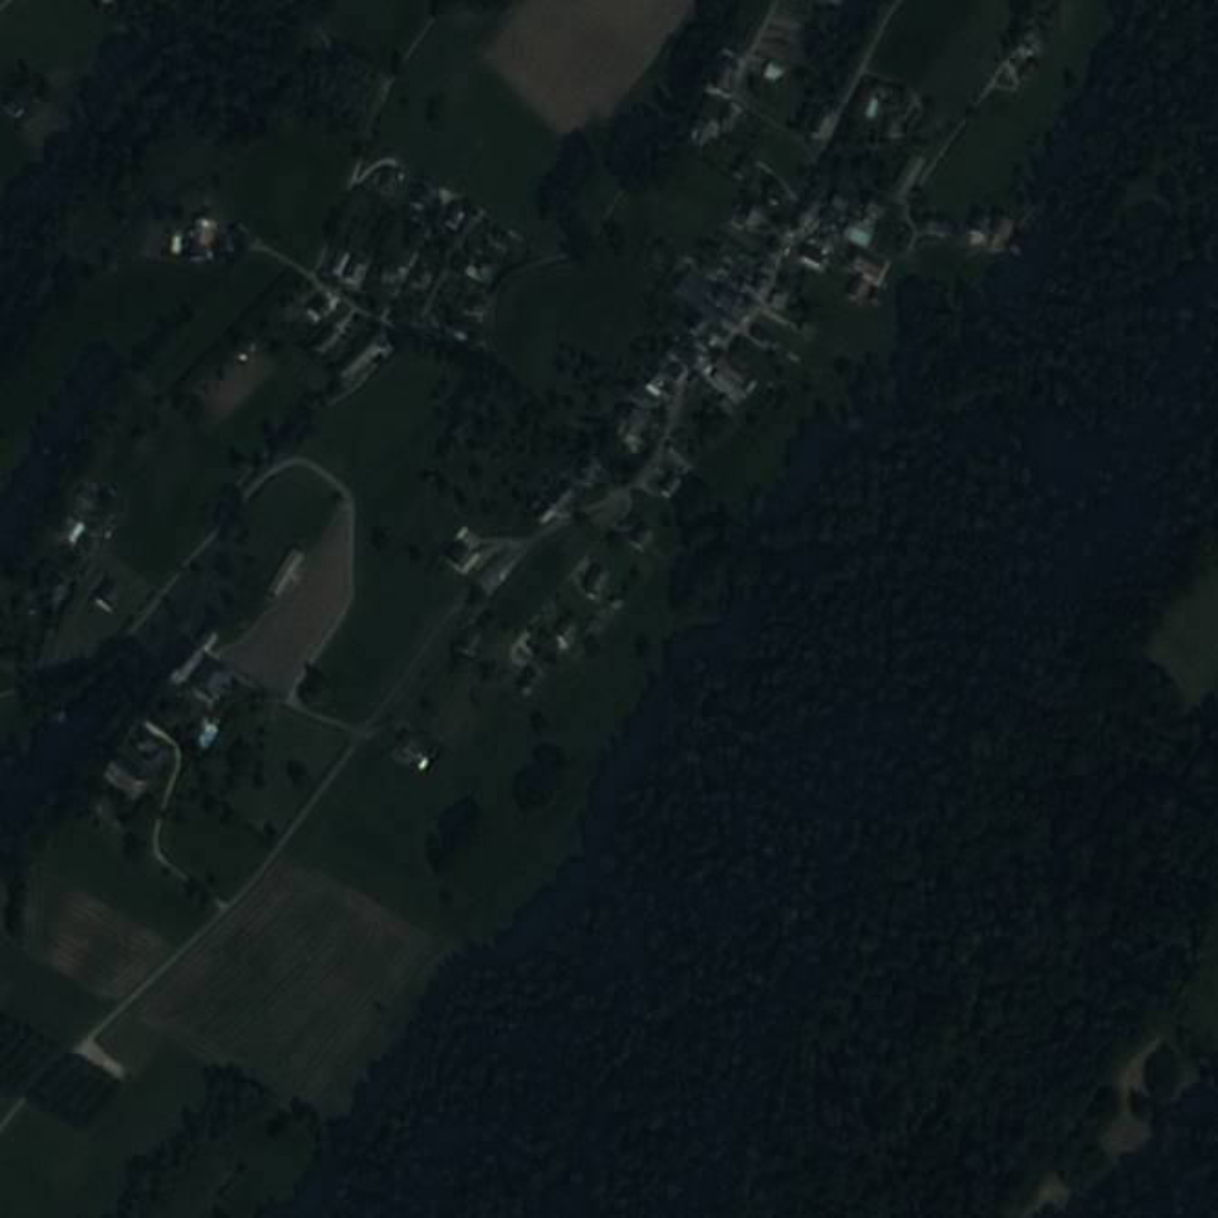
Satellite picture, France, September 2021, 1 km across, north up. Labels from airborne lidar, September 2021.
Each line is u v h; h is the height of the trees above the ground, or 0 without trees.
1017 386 25
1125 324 28
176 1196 0
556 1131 27
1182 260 22
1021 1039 28
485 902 0
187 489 0
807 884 29
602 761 0
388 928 0
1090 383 23
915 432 16
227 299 0
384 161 0
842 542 26
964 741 29
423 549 0
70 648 0
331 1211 29
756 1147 26
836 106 7
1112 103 8
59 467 22
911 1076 25
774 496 0
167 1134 0
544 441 14
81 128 0
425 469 0
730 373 0
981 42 0
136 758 0
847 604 24
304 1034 0
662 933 31
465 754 0
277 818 0
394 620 0
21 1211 0
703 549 15
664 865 31
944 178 0
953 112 0
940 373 14
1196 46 11
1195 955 11
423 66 0
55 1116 11
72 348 0
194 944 0
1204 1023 0
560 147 0
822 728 26
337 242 10
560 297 0
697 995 28
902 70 0
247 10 31
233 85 8
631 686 0
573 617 6
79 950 0
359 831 0
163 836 0
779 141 0
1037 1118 29
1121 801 37
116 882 0
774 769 30
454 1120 23
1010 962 29
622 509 0
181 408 8
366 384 0
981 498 28
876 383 11
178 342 12
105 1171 0
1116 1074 19
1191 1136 20
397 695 0
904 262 0
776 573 25
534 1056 23
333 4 20
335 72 23
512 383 12
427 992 0
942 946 32
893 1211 29
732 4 13
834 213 8
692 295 0
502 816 0
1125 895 31
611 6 0
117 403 23
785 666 31
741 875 33
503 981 17
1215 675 0
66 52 0
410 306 7
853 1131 25
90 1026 0
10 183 0
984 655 31
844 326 0
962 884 32
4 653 9
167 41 6
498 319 0
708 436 16
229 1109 18
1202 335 30
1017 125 0
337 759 0
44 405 0
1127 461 29
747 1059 28
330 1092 0
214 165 0
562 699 0
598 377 8
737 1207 27
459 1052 24
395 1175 24
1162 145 21
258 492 0
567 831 0
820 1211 22
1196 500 24
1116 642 27
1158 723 25
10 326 13
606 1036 26
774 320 0
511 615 0
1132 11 28
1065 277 27
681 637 0
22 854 23
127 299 0
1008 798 26
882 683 23
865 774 32
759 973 31
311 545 0
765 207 7
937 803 24
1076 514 29
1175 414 30
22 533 12
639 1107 30
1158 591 24
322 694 19
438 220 13
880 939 7
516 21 0
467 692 0
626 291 0
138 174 9
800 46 0
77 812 15
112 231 0
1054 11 7
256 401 0
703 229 0
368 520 0
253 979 0
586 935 22
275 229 0
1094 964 9
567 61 0
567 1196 21
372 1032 0
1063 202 17
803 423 0
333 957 0
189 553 0
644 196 19
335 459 0
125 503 0
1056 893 24
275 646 0
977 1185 27
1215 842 29
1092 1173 21
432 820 0
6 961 0
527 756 0
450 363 20
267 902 0
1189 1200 11
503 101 0
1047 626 28
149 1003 0
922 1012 26
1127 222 0
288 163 0
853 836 35
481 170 0
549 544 0
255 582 0
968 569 29
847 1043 17
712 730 25
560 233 0
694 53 7
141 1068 0
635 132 0
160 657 0
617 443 13
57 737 6
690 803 28
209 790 10
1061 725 25
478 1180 30
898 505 28
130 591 0
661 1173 33
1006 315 11
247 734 0
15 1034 11
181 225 9
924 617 29
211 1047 0
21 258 10
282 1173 0
